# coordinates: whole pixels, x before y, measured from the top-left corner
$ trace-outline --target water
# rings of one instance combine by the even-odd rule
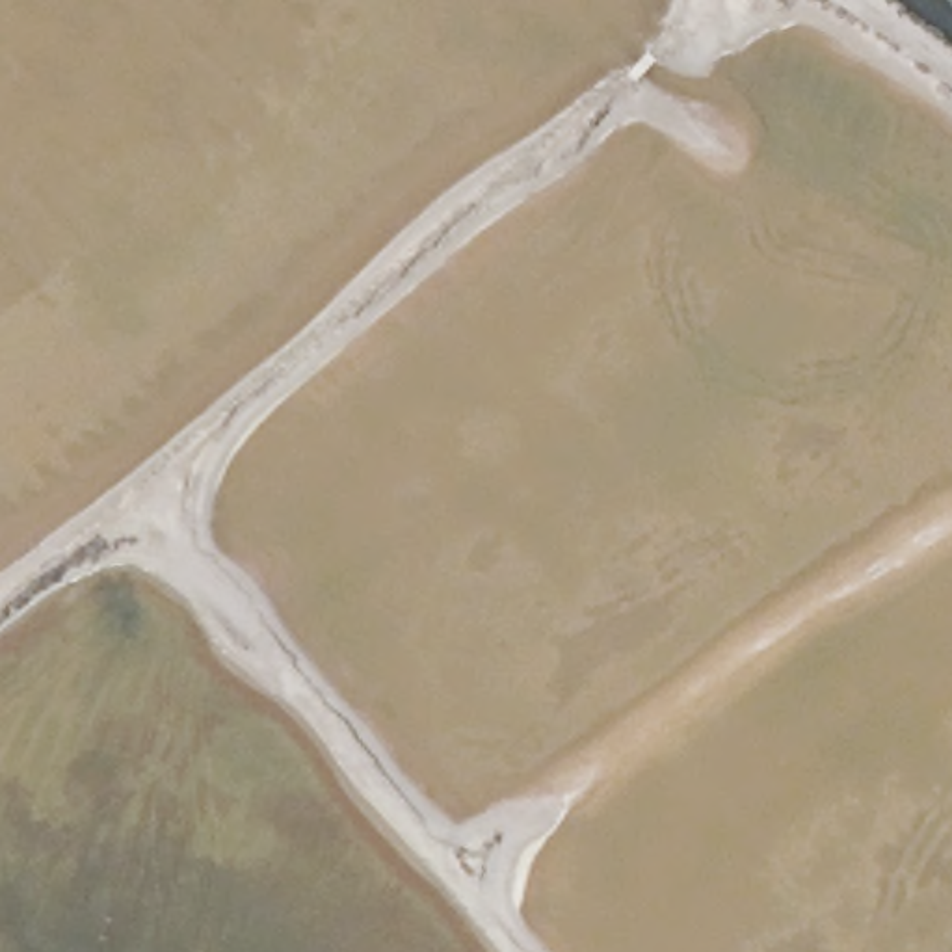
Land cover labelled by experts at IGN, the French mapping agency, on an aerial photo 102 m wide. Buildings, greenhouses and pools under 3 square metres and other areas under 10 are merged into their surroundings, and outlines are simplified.
[[[123,476],[130,476],[171,435],[193,424],[223,390],[231,390],[283,342],[290,342],[439,193],[446,193],[454,182],[461,182],[469,171],[509,149],[513,141],[528,138],[547,119],[554,119],[610,71],[632,67],[643,56],[643,45],[658,37],[669,0],[0,0],[0,573],[22,554],[30,554],[63,521],[97,502]]]
[[[528,870],[521,900],[521,919],[536,933],[536,945],[528,952],[952,952],[952,539],[930,547],[926,562],[885,576],[874,595],[848,599],[829,621],[803,632],[762,673],[755,673],[744,684],[733,684],[684,729],[681,744],[647,759],[636,774],[614,785],[595,811],[576,814],[569,807],[565,822],[550,833],[550,840],[539,848]]]
[[[97,573],[82,584],[71,584],[45,606],[37,606],[22,625],[0,636],[0,952],[491,952],[469,922],[469,915],[450,900],[450,893],[402,848],[402,840],[379,822],[379,814],[372,814],[372,807],[342,781],[338,766],[331,762],[327,747],[312,736],[312,729],[283,699],[260,692],[238,669],[231,669],[216,655],[190,602],[179,599],[156,576],[141,569]]]
[[[424,279],[376,327],[357,335],[327,368],[301,383],[245,439],[212,498],[216,547],[260,584],[286,632],[301,643],[301,651],[312,658],[324,681],[357,714],[368,718],[368,725],[390,747],[398,770],[446,818],[469,822],[502,800],[536,796],[547,770],[554,770],[562,759],[602,736],[614,721],[621,721],[643,699],[651,699],[684,669],[692,669],[729,632],[759,621],[788,591],[803,588],[807,580],[837,565],[844,554],[866,547],[893,521],[915,513],[926,498],[952,491],[952,119],[922,97],[900,89],[870,63],[844,56],[840,48],[833,48],[826,33],[807,26],[766,33],[755,45],[721,56],[707,74],[651,67],[647,82],[655,89],[681,100],[699,100],[714,108],[729,126],[747,134],[751,152],[744,171],[710,171],[695,152],[643,123],[617,130],[584,167],[576,167],[550,190],[532,193],[521,208],[513,208],[495,227],[476,234],[446,268]]]
[[[952,45],[952,0],[893,0],[915,22],[922,22],[945,45]]]

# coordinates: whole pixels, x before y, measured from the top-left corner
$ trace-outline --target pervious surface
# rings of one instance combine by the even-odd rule
[[[141,569],[156,576],[179,599],[190,602],[216,655],[231,669],[238,669],[260,692],[283,699],[312,729],[312,736],[327,747],[331,762],[338,766],[342,781],[372,807],[372,814],[379,814],[379,822],[402,840],[402,848],[450,893],[450,900],[469,915],[469,922],[491,952],[528,952],[536,945],[536,933],[521,919],[521,900],[528,870],[539,848],[550,840],[550,833],[565,822],[569,807],[576,814],[595,811],[614,785],[636,774],[647,759],[681,744],[684,729],[733,684],[744,684],[755,673],[762,673],[803,632],[829,621],[848,599],[874,595],[885,576],[926,562],[930,547],[952,539],[952,491],[926,498],[915,513],[893,521],[866,547],[844,554],[837,565],[807,580],[803,588],[788,591],[759,621],[729,632],[692,669],[684,669],[651,699],[643,699],[621,721],[614,721],[602,736],[562,759],[554,770],[547,770],[536,796],[502,800],[469,822],[446,818],[398,770],[390,747],[368,725],[368,718],[357,714],[324,681],[312,658],[301,651],[301,643],[286,632],[260,584],[216,547],[212,498],[245,439],[301,383],[327,368],[357,335],[376,327],[424,279],[446,268],[476,234],[495,227],[513,208],[521,208],[532,193],[550,190],[576,167],[584,167],[617,130],[643,123],[695,152],[710,171],[744,171],[751,152],[747,134],[729,126],[714,108],[699,100],[681,100],[655,89],[647,82],[651,67],[707,74],[721,56],[755,45],[766,33],[807,26],[826,33],[833,48],[840,48],[844,56],[870,63],[900,89],[922,97],[952,119],[952,45],[945,45],[922,22],[915,22],[893,0],[669,0],[658,37],[643,45],[643,56],[632,67],[610,71],[554,119],[547,119],[528,138],[513,141],[509,149],[469,171],[461,182],[454,182],[446,193],[439,193],[290,342],[283,342],[231,390],[223,390],[193,424],[171,435],[130,476],[123,476],[97,502],[63,521],[30,554],[22,554],[0,573],[0,636],[22,625],[37,606],[45,606],[71,584],[82,584],[97,573]]]

